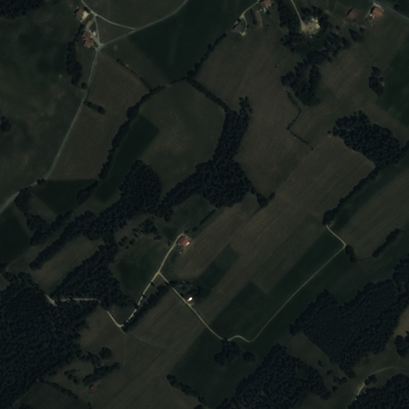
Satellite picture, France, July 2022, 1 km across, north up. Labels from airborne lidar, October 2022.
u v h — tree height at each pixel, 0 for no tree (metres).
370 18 0
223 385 0
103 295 24
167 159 0
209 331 0
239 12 0
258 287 0
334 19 0
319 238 0
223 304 0
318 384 18
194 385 0
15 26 0
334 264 0
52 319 11
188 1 0
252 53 0
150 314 0
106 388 0
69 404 0
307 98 21
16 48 0
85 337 0
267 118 0
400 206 0
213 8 0
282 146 0
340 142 0
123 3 0
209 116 0
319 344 15
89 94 0
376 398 13
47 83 0
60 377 0
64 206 0
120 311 0
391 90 0
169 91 0
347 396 0
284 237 0
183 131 0
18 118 0
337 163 0
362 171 0
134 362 0
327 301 17
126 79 0
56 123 0
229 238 0
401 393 22
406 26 0
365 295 17
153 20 0
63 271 0
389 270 0
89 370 0
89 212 0
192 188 16
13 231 0
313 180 0
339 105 0
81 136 0
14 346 25
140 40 0
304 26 0
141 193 7
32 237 0
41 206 0
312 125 0
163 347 0
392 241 16
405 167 0
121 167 0
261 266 0
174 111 0
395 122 0
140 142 0
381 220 0
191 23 0
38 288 21
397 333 0
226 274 0
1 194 0
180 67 0
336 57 6
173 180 0
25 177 0
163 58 0
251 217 0
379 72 24
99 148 0
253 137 0
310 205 0
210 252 0
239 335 0
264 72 0
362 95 0
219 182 33
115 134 0
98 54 0
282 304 0
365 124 30
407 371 0
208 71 0
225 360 26
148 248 0
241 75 0
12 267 0
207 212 0
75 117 0
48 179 0
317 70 8
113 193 0
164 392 0
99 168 0
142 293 0
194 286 0
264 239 0
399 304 21
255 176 0
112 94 0
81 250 0
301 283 0
